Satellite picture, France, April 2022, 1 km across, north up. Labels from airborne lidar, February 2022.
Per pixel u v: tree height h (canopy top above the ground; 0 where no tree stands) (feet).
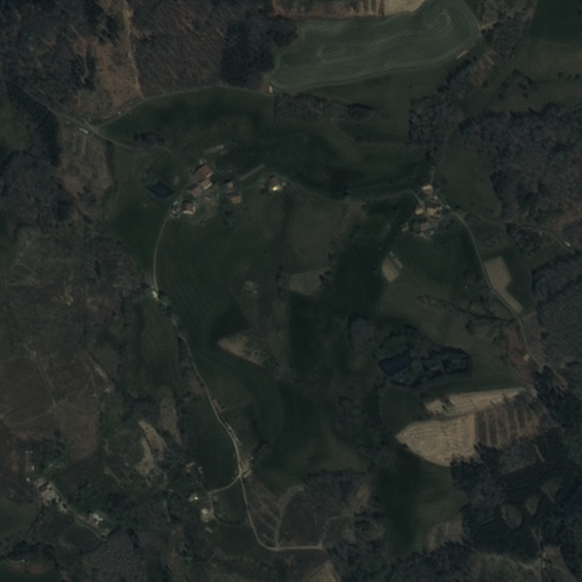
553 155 50
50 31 72
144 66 83
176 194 0
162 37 82
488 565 0
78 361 0
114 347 0
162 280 0
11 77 85
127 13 0
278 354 0
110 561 42
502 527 38
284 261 0
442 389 0
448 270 0
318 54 0
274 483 0
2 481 0
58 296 0
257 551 0
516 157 89
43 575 0
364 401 0
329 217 0
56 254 0
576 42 0
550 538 31
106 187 0
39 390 0
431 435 0
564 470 40
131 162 0
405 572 87
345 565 100
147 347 0
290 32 96
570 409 66
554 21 0
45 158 79
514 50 24
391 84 0
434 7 0
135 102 0
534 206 33
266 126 0
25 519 0
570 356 74
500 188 69
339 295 0
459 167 0
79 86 85
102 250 0
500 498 101
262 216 0
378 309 0
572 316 63
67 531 0
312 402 0
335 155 0
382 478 0
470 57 0
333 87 0
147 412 69
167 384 0
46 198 100
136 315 0
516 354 0
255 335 0
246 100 0
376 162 0
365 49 0
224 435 0
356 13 0
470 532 40
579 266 83
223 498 0
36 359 0
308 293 0
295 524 0
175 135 0
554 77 0
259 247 0
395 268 0
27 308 0
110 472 0
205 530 0
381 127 0
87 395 0
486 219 0
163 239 0
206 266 0
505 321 26
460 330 0
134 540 84
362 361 0
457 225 39
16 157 50
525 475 30
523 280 0
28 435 0
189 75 98
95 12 77
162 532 0
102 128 0
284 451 0
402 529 0
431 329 0
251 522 0
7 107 0
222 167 0
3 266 0
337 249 43
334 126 0
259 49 91
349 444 0
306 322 0
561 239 0
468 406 0
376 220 0
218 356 0
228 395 0
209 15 91
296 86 0
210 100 0
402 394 0
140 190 0
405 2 0
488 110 0
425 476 0
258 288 0
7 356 0
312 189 0
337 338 0
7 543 25
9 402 0
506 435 0
